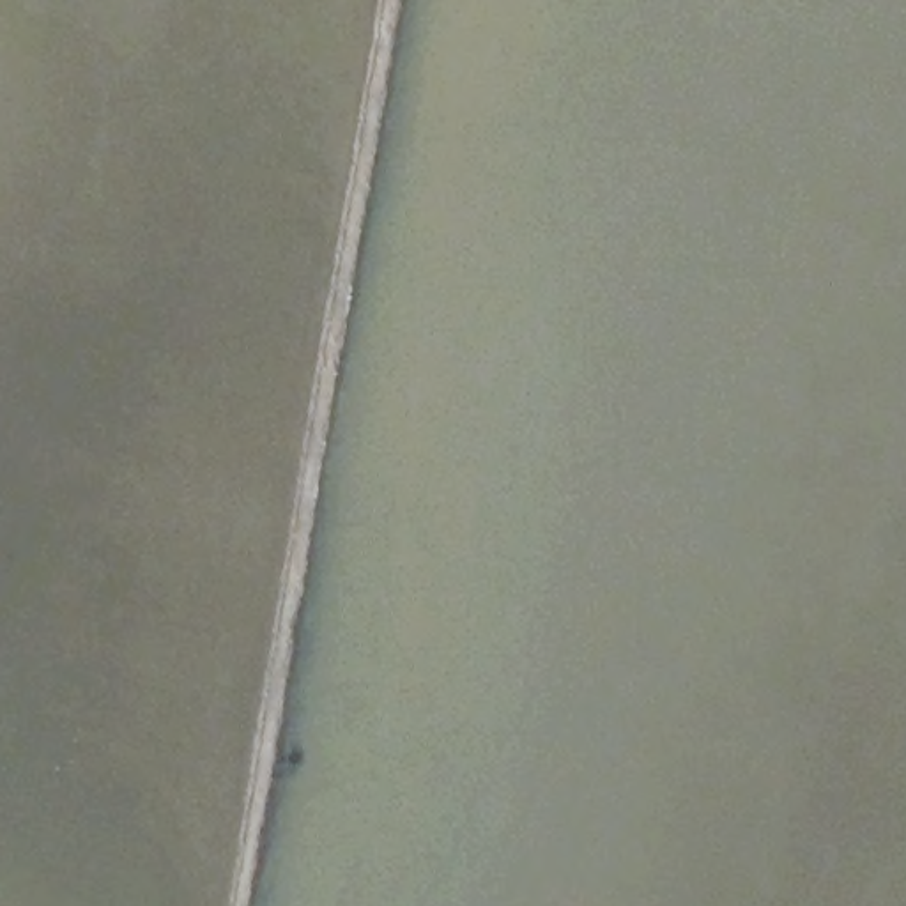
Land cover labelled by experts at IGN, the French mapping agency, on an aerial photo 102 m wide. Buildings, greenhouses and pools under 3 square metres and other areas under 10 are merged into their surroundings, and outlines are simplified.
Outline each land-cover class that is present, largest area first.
<instances>
[{"label":"water","instance_id":"1","mask_svg":"<svg viewBox=\"0 0 906 906\"><path fill-rule=\"evenodd\" d=\"M379 0H0V906H230L251 740L287 563L290 510L301 474V439L319 361L322 308L333 280V255L340 237L347 177L354 163V131L365 99ZM248 906H906V0H400L375 134V159L350 276V311L343 322V343L336 357L308 563L301 602L294 612L283 715L276 733V757L269 775Z\"/></svg>","mask_w":906,"mask_h":906},{"label":"pervious surface","instance_id":"2","mask_svg":"<svg viewBox=\"0 0 906 906\"><path fill-rule=\"evenodd\" d=\"M400 0H379L365 99L354 131V163L347 177L340 237L333 255V280L322 308L319 361L301 439V474L290 510L287 563L251 740L230 906H248L269 775L276 757V733L283 715L294 612L301 602L308 563L336 357L343 343V322L350 311V276L375 159V134Z\"/></svg>","mask_w":906,"mask_h":906}]
</instances>
